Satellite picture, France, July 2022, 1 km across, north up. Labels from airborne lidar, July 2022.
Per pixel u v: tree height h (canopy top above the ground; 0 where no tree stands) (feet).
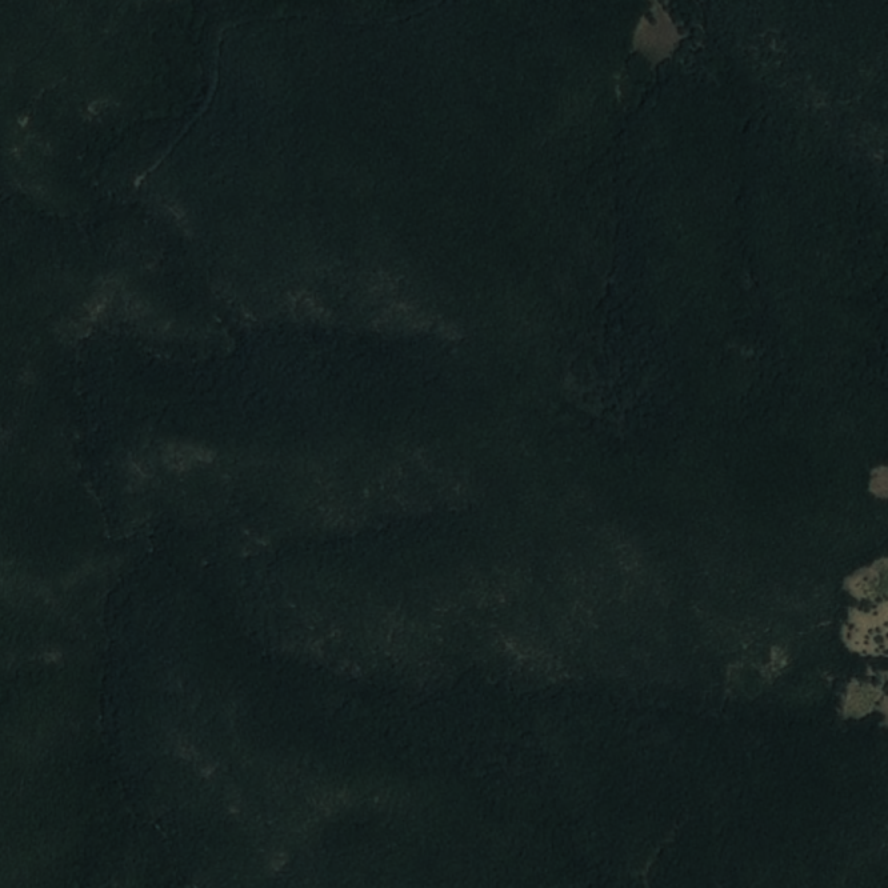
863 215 51
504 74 34
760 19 24
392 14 51
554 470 18
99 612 30
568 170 56
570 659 22
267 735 29
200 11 40
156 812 31
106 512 32
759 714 28
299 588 22
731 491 28
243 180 28
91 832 51
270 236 25
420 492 19
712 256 37
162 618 33
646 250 37
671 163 29
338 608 23
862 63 23
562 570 22
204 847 31
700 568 25
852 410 38
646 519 24
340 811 25
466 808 25
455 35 26
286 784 21
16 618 43
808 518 26
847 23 28
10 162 25
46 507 42
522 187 40
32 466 22
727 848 34
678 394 24
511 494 22
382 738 40
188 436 29
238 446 24
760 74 29
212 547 33
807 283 30
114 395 32
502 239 38
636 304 35
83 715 31
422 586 19
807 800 32
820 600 22
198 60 29
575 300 40
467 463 25
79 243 33
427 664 26
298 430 30
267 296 24
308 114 34
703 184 30
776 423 31
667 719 33
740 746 21
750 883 28
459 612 21
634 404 22
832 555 21
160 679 24
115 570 29
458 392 20
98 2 28
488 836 20
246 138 21
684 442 31
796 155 39
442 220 30
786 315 31
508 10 29
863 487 32
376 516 29
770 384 29
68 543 34
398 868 28
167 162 21
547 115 31
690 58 56
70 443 22
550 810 57
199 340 33
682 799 23
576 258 41
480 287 23
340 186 27
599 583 18
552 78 33
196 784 26
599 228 46
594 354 45
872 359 47
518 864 26
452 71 33
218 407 34
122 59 29
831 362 25
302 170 24
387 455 22
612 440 31
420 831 23
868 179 32
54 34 19
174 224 23
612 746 29
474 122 33
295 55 24
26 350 37
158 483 22
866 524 24
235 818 21
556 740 25
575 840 39
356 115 39
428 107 32
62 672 45
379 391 27
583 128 51
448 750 26
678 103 47
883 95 26
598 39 36
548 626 20
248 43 20
